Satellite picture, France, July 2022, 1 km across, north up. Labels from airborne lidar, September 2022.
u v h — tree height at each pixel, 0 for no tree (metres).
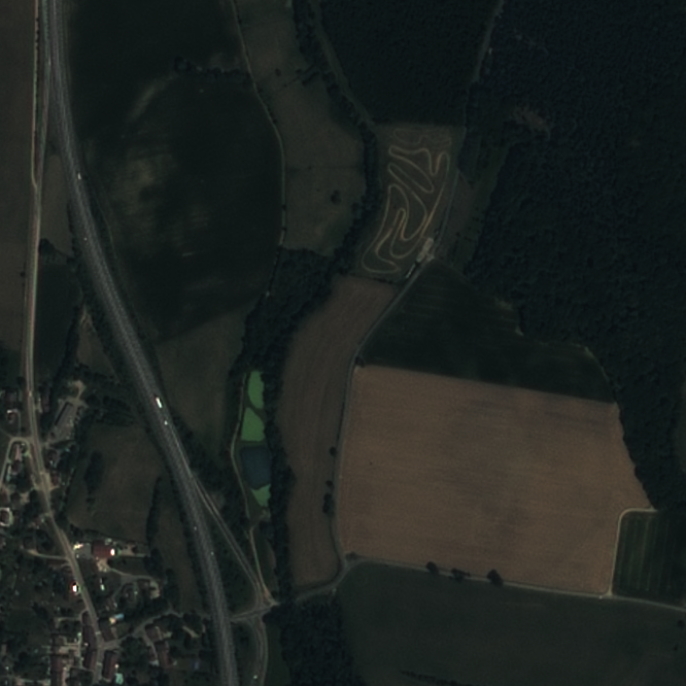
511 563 0
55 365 0
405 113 14
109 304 0
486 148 11
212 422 0
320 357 0
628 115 18
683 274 21
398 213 0
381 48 14
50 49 0
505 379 0
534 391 0
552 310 26
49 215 0
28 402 0
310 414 0
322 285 16
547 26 21
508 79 26
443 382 0
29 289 0
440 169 0
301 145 0
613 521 0
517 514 0
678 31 16
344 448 0
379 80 15
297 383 0
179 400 0
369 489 0
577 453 0
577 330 20
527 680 0
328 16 16
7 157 0
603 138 21
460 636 0
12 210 0
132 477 0
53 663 0
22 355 0
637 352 26
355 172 0
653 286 25
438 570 14
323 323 0
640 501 0
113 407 10
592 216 25
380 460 0
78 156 0
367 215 22
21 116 0
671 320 24
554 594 0
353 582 0
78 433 10
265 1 0
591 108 21
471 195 0
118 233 0
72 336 12
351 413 0
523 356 0
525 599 0
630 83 20
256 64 0
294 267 15
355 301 0
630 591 0
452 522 0
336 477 0
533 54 21
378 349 0
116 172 0
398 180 0
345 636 6
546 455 0
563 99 24
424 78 14
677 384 22
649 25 19
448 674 0
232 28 0
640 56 23
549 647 0
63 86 0
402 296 0
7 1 0
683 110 26
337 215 0
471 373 0
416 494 0
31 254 0
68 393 7
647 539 0
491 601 0
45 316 0
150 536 12
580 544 0
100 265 0
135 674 8
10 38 0
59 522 14
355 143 0
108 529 0
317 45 20
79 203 0
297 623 24
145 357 0
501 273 28
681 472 19
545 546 0
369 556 0
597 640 0
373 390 0
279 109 0
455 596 0
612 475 0
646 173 23
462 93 17
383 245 0
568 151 25
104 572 0
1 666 11
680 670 0
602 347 18
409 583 0
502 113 23
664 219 24
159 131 0
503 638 0
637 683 0
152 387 0
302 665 21
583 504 0
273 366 18
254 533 0
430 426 0
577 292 24
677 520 0
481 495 0
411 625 0
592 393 0
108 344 7
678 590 0
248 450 0
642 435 25
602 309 27
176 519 0
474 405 0
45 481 0
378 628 0
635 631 0
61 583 7
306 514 0
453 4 18
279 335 7
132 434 0
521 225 29
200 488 0
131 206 0
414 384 0
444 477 0
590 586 0
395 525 0
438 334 0
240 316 0
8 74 0
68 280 0
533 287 25
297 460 0
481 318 0
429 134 0
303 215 0
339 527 0
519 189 24
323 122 0
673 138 19
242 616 0
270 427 14
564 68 25
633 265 12
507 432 0
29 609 0
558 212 22
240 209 0
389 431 0
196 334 0
